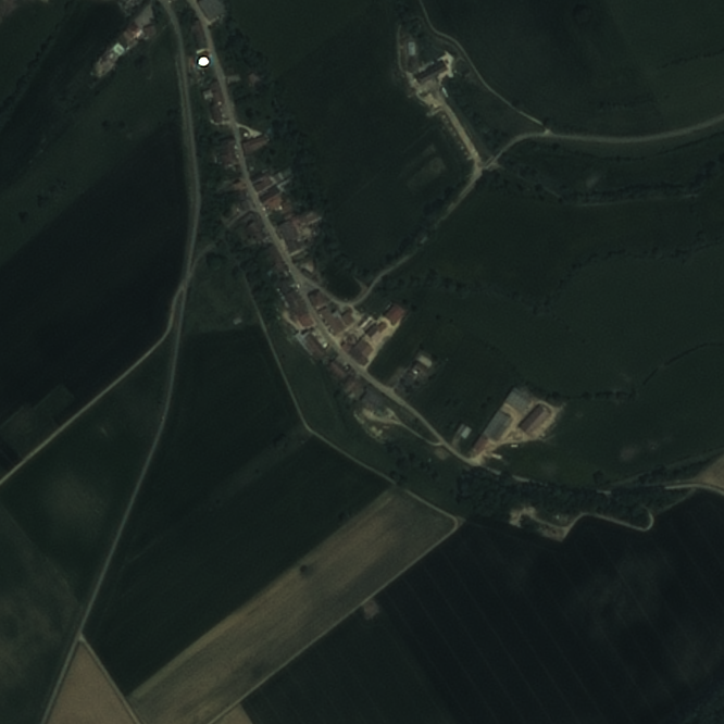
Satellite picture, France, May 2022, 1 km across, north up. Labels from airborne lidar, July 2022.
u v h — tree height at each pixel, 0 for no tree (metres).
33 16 0
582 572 0
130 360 0
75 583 0
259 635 0
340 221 0
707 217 0
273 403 0
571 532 0
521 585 0
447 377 0
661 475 16
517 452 0
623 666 0
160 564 0
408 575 0
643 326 0
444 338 0
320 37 0
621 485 0
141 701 0
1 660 0
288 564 0
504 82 0
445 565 0
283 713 0
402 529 0
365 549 0
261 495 0
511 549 0
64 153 0
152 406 0
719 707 26
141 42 6
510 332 0
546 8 0
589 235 0
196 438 0
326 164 0
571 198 14
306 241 6
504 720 0
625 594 0
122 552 0
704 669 0
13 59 0
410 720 0
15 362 0
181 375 0
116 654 0
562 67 0
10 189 0
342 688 0
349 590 0
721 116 0
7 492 0
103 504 0
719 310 0
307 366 0
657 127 0
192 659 0
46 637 0
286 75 0
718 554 0
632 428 0
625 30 0
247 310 0
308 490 0
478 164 0
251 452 0
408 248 17
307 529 0
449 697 0
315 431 0
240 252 13
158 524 0
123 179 0
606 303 0
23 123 0
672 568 0
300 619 0
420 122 0
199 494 0
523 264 0
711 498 0
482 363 0
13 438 0
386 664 0
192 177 0
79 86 0
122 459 0
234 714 0
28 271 0
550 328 0
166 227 0
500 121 0
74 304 0
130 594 0
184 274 0
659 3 0
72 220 0
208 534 0
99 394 0
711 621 0
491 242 0
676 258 6
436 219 16
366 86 0
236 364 0
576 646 0
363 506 0
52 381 0
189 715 0
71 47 0
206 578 0
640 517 16
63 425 0
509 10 0
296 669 0
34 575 0
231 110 0
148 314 0
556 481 0
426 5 0
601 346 0
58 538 0
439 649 0
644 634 0
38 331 0
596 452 0
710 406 0
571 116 0
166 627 0
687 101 0
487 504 19
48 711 0
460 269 0
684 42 0
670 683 0
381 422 0
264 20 0
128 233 0
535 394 10
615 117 0
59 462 0
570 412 0
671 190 16
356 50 0
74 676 0
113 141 0
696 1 0
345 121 0
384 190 0
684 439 0
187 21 10
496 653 0
